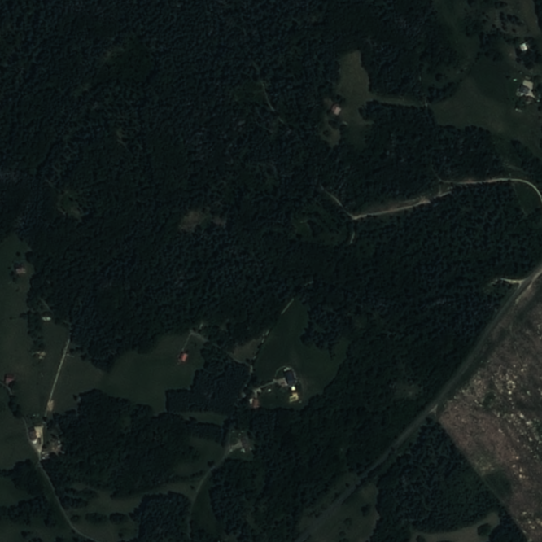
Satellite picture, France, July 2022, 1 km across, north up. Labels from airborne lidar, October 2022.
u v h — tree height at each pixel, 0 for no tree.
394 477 21
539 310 0
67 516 0
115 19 32
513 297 0
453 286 25
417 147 10
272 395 0
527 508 0
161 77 29
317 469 17
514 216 11
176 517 26
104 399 20
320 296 17
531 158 20
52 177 34
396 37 27
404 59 30
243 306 21
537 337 0
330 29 23
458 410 0
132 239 25
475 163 13
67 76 23
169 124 28
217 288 25
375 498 0
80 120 7
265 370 0
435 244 19
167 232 28
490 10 0
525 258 25
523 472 0
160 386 0
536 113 0
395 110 26
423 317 8
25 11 31
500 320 0
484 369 0
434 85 9
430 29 21
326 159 14
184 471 0
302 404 0
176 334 10
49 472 19
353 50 16
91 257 23
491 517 0
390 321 21
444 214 20
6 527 0
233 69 30
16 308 0
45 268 21
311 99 13
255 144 18
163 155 24
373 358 8
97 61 31
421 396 6
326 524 0
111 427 26
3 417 0
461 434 0
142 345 23
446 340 26
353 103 0
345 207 17
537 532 0
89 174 23
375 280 19
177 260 27
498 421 0
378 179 15
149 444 25
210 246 29
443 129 16
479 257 10
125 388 0
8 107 27
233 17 25
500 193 16
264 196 23
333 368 0
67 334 0
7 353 0
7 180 24
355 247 13
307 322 0
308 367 0
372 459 7
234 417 19
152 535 24
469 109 0
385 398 21
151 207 29
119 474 16
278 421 21
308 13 32
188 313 20
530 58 15
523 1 0
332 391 13
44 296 19
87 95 21
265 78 27
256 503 6
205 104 24
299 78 21
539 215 8
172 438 23
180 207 28
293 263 24
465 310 9
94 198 27
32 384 0
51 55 17
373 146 7
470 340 29
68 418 17
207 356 18
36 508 20
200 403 16
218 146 23
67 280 21
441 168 27
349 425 22
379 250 13
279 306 14
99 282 18
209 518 0
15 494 0
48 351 0
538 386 0
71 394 0
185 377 0
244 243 29
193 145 26
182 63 22
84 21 27
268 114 33
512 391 0
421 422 0
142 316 16
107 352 21
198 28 24
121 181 23
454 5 0
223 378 17
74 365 0
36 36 15
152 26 28
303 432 13
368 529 0
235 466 19
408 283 14
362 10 31
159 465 21
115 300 25
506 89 0
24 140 23
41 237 28
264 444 6
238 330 12
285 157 21
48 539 0
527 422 0
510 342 0
